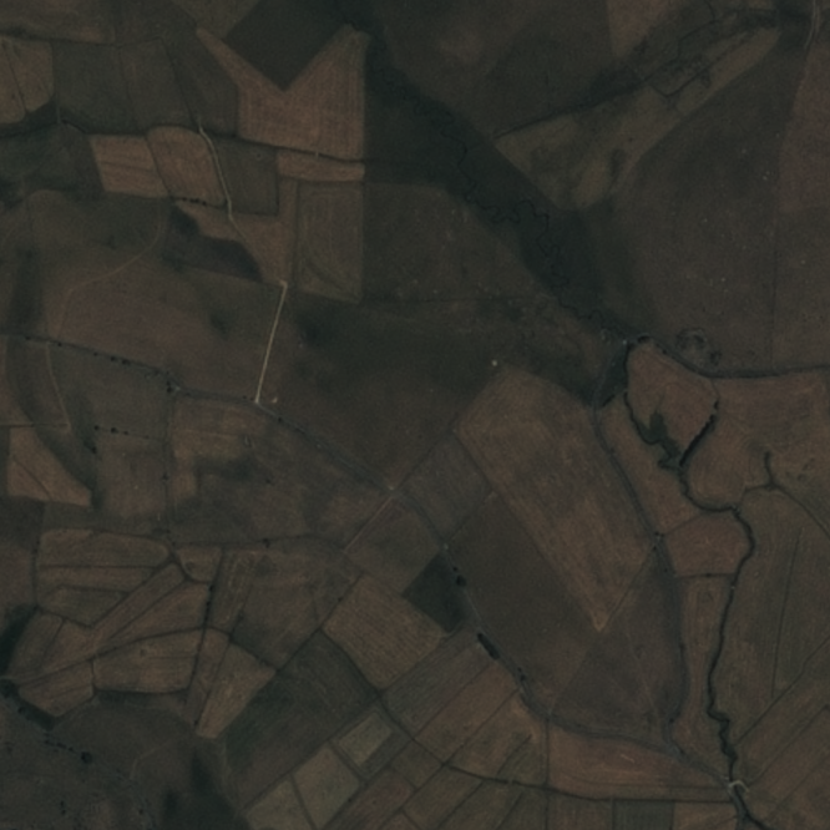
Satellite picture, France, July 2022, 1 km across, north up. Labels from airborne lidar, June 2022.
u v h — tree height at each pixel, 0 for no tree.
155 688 0
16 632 0
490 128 0
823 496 0
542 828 0
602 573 0
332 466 0
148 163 0
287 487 0
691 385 0
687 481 0
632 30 0
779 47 0
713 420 9
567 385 0
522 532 0
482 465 0
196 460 0
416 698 0
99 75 0
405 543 0
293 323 0
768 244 0
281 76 0
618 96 0
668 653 0
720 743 0
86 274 0
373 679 0
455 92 0
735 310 0
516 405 0
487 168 0
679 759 0
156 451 0
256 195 0
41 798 0
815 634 0
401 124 0
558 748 0
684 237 0
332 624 0
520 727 0
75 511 0
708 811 0
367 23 0
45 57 0
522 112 0
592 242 0
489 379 0
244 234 0
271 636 0
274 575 0
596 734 0
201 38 0
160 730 0
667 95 0
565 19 0
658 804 0
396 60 0
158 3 0
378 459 0
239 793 0
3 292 0
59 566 0
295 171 0
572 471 0
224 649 0
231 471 0
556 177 0
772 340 0
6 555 0
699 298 0
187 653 0
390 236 0
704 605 0
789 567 0
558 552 0
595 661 0
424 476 0
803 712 0
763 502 0
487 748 0
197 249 0
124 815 0
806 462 0
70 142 0
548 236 0
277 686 0
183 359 0
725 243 0
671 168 0
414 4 0
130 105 0
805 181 0
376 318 0
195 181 0
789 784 0
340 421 0
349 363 0
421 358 0
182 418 0
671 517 0
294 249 0
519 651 0
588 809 0
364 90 0
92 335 0
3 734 0
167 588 0
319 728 0
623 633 0
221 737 0
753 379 0
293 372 0
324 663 0
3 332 0
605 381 0
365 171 0
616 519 0
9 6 0
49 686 0
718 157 0
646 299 0
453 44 0
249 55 0
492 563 0
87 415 0
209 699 0
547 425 0
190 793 0
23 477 0
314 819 0
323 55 0
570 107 0
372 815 0
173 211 0
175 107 0
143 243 0
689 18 0
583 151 0
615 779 0
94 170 0
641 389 0
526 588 0
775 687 0
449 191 0
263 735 0
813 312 0
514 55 0
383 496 0
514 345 0
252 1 0
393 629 0
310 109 0
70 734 0
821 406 0
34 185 0
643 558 0
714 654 0
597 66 0
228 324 0
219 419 0
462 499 0
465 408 0
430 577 0
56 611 0
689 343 0
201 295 0
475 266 0
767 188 0
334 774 0
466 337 0
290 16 0
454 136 0
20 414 0
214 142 0
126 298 0
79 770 0
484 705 0
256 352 0
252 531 0
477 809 0
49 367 0
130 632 0
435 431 0
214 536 0
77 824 0
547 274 0
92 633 0
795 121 0
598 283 0
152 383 0
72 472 0
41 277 0
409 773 0
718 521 0
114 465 0
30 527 0
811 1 0
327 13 0
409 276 0
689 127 0
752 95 0
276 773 0
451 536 0
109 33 0
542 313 0
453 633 0
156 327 0
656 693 0
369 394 0
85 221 0
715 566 0
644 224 0
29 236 0
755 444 0
